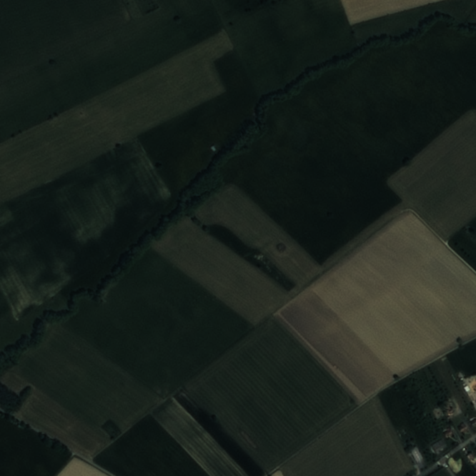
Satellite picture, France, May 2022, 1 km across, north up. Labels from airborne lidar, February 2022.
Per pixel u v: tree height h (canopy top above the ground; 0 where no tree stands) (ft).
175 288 0
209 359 0
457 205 0
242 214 0
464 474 0
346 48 0
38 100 0
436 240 0
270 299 0
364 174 0
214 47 0
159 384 0
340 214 0
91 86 0
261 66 0
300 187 0
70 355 0
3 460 0
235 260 0
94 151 0
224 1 0
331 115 0
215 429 0
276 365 0
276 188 0
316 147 0
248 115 0
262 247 0
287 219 0
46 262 0
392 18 0
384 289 0
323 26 0
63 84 0
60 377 0
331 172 0
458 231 0
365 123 0
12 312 0
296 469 0
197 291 0
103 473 0
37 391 0
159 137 0
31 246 0
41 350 0
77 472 0
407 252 0
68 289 0
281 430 0
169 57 0
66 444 0
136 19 0
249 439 0
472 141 0
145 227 0
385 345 0
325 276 0
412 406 22
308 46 0
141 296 0
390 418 0
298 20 0
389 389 0
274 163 0
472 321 0
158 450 0
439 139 0
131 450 0
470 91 0
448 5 0
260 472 0
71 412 0
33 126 0
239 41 0
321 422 0
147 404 0
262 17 0
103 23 0
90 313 0
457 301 0
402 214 0
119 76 0
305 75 40
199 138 0
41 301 0
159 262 0
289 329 0
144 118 0
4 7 0
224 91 0
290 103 0
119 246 0
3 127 0
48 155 0
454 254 0
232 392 0
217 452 0
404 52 0
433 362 0
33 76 0
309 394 0
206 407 0
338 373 0
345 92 0
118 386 0
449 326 0
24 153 0
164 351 0
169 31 0
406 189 0
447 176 0
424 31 42
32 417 0
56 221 0
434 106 0
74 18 0
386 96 0
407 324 0
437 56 0
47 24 0
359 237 0
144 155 0
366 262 0
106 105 0
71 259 0
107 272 0
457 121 0
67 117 0
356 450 0
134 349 0
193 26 0
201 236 0
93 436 0
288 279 0
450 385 0
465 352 0
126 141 0
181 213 47
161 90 0
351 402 0
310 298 0
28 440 0
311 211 0
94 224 0
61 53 0
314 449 0
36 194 0
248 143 62
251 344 0
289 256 0
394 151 0
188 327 0
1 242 0
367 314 0
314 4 0
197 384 0
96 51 0
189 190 48
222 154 70
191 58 0
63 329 0
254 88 0
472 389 0
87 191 0
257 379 0
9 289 0
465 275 0
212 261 0
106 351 0
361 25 0
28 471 0
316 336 0
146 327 0
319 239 0
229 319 0
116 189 0
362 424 0
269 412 0
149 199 0
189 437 0
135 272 0
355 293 0
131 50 0
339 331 0
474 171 0
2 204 0
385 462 0
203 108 0
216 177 73
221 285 0
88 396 0
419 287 0
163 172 0
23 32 0
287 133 0
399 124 0
